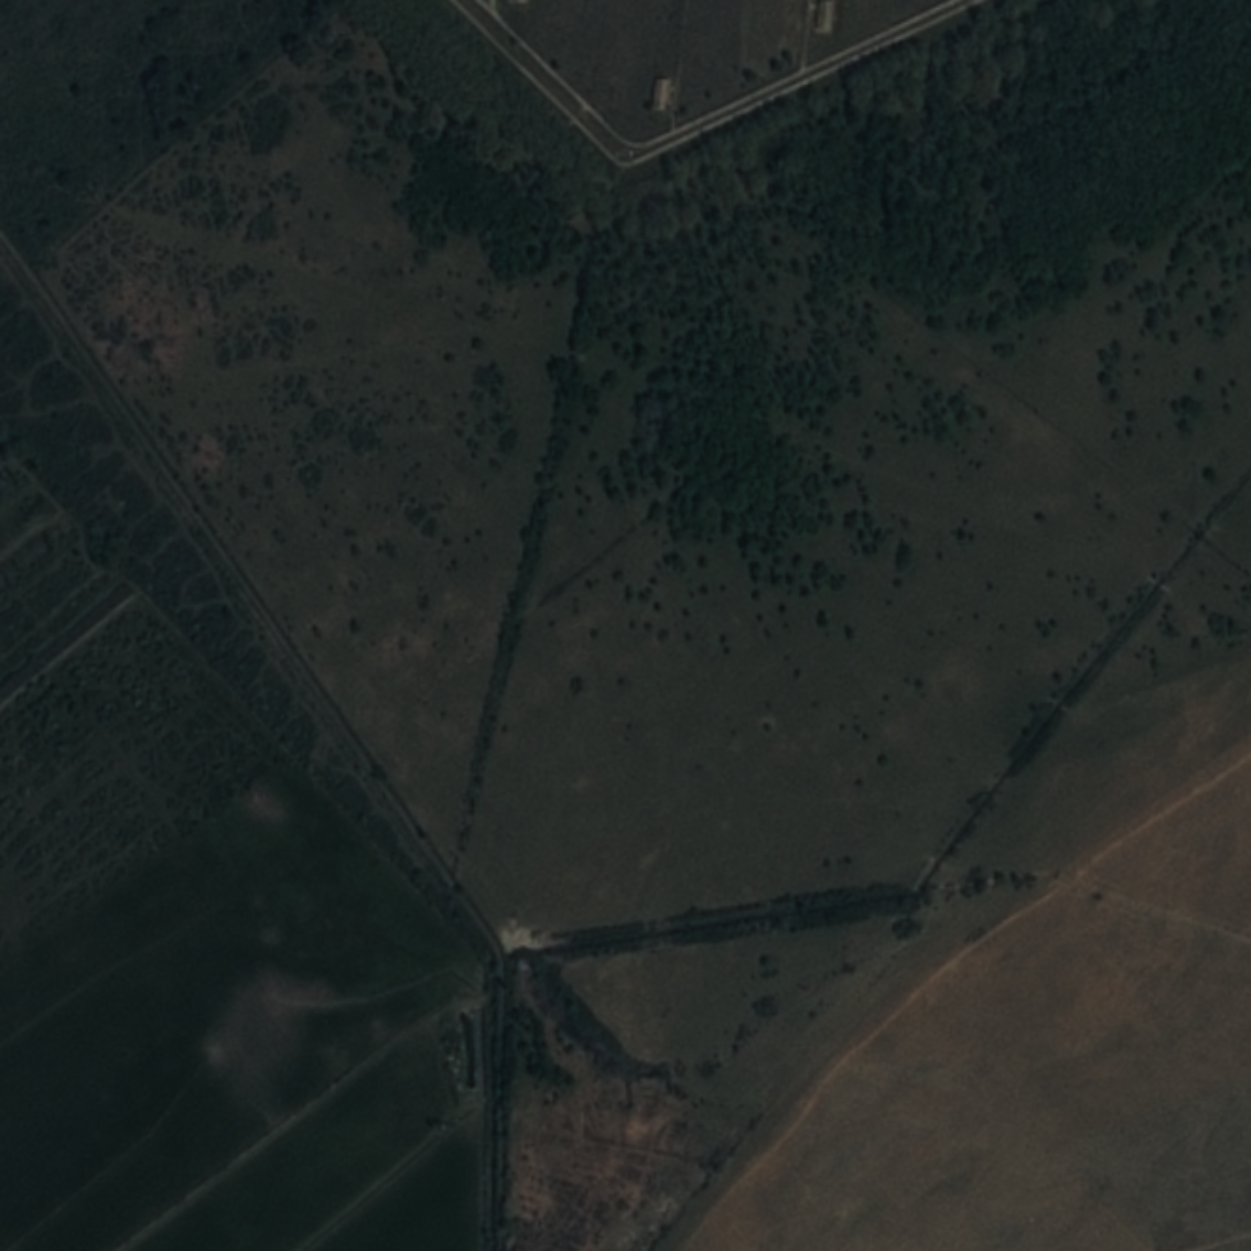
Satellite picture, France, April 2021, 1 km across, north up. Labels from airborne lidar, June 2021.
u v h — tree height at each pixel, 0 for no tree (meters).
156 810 0
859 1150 0
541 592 0
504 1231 10
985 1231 0
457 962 0
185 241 0
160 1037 0
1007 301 11
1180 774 0
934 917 0
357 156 5
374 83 6
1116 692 0
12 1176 0
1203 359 0
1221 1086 0
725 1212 0
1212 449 0
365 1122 0
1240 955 0
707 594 9
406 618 0
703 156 16
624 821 0
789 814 0
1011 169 13
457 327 0
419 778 0
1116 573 0
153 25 9
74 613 0
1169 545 0
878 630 0
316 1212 0
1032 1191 0
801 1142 0
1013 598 0
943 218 11
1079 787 0
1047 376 0
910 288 14
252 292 0
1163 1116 0
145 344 7
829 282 11
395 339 0
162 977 0
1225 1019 0
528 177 17
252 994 0
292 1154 0
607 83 0
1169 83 22
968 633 0
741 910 6
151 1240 0
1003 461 0
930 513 0
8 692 5
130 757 0
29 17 0
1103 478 0
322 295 0
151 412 0
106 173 0
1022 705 0
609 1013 0
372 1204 0
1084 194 20
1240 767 0
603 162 12
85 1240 0
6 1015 0
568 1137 0
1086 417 0
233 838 0
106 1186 0
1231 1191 0
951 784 0
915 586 0
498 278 8
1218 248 9
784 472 10
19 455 10
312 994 0
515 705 0
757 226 10
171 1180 0
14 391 0
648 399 11
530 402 0
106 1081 0
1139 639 0
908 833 0
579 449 0
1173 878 0
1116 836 0
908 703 0
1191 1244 0
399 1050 0
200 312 0
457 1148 0
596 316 14
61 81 0
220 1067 0
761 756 0
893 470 0
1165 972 0
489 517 0
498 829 0
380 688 0
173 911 0
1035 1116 0
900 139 6
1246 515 0
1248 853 0
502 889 0
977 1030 0
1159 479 0
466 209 11
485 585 0
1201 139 16
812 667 0
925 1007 0
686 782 0
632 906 0
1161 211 15
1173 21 19
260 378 0
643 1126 0
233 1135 0
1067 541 0
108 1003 0
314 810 0
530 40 0
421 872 7
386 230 0
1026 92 19
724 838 0
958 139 16
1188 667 0
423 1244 0
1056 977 0
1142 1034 0
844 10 0
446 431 0
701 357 16
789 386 12
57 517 0
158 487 0
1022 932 0
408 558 0
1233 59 19
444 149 10
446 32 22
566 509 0
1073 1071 0
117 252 0
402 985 0
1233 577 0
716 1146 0
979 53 20
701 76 0
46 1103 0
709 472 11
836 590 9
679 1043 0
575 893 0
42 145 0
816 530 10
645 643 0
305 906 0
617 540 0
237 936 0
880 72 18
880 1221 0
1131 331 0
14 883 0
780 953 0
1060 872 0
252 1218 0
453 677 0
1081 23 15
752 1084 0
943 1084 0
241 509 0
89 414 0
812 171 12
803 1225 0
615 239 15
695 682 0
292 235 0
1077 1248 0
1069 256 16
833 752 0
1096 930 0
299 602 0
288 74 0
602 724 0
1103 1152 0
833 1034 0
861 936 0
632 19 0
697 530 9
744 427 13
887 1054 0
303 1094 0
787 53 7
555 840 0
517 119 26
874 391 0
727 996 0
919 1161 0
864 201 14
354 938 0
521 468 0
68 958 0
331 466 0
